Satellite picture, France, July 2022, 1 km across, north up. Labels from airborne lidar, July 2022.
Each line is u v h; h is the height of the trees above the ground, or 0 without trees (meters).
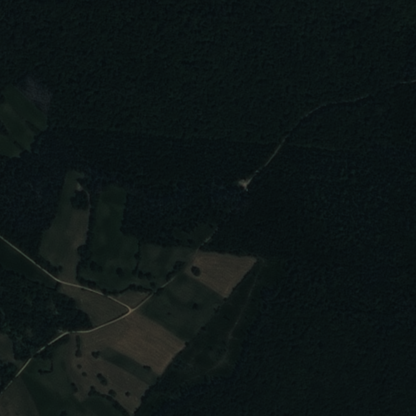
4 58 19
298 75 18
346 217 8
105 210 0
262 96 18
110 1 18
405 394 19
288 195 10
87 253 22
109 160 9
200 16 18
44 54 19
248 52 21
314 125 20
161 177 14
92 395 7
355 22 25
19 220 24
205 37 17
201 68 17
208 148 11
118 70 13
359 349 17
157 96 18
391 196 12
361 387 17
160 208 17
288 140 17
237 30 20
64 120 20
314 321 16
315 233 8
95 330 0
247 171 9
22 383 0
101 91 19
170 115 15
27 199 13
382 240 10
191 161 9
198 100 18
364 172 10
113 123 15
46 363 0
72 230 0
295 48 19
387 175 9
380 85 18
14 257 0
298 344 20
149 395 17
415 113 9
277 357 19
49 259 0
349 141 16
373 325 13
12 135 0
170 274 8
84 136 12
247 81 17
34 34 21
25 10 18
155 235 6
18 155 0
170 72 18
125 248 0
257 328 23
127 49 20
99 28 18
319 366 17
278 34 17
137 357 0
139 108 19
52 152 20
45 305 12
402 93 13
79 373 0
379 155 15
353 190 8
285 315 16
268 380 19
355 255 16
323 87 17
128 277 0
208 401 20
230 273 0
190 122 20
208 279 0
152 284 11
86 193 8
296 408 17
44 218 17
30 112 0
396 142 8
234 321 0
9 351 0
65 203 0
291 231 7
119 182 25
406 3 16
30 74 24
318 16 18
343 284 14
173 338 0
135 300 0
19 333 19
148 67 22
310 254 9
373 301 16
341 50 19
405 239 7
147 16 20
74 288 0
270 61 12
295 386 17
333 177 10
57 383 0
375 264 13
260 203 15
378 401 19
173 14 24
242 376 17
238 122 19
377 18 16
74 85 18
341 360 17
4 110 0
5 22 20
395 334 17
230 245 9
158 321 0
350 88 19
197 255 0
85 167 19
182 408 20
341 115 18
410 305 28
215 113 18
